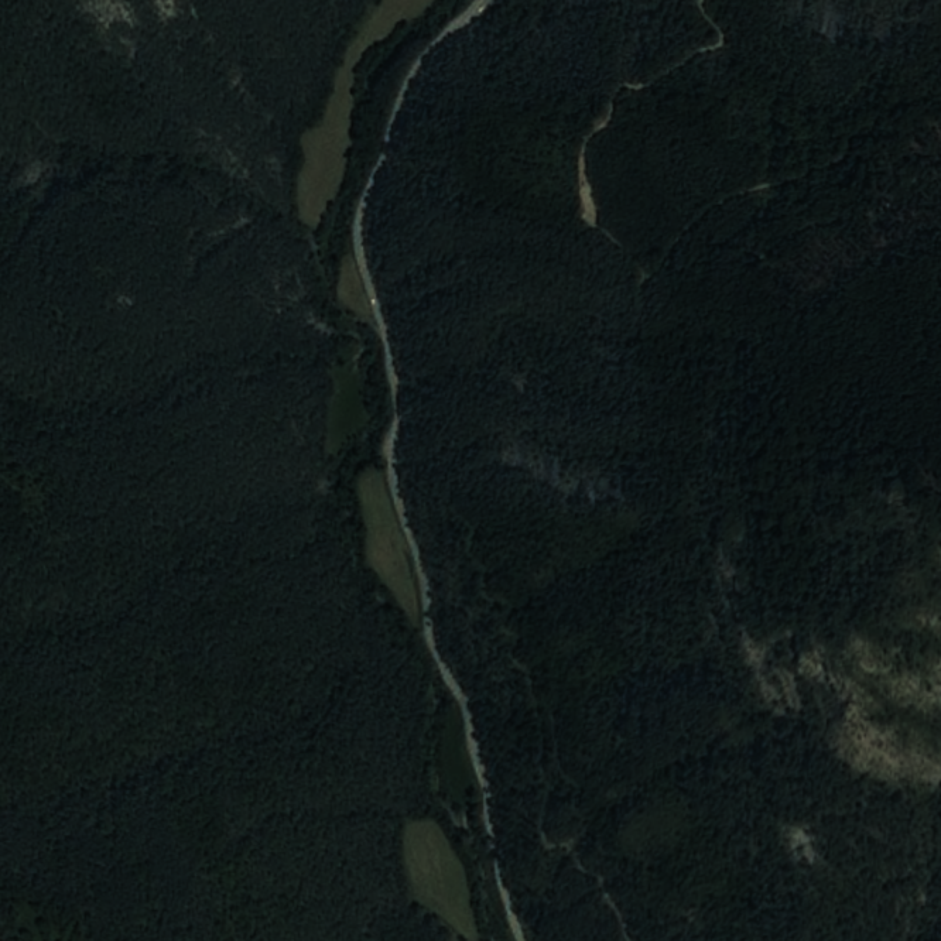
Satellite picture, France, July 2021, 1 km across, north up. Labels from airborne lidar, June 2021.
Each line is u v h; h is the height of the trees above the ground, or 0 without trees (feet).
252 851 35
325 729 37
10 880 44
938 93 51
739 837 51
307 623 50
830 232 59
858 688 0
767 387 67
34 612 35
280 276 20
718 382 58
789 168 62
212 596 42
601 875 59
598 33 44
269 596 41
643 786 27
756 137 41
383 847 56
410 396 40
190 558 41
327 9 28
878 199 77
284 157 26
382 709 48
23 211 46
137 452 52
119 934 27
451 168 51
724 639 36
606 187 27
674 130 35
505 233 54
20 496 42
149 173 46
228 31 34
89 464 50
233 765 35
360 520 27
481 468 29
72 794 39
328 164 0
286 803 26
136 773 26
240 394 31
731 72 40
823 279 82
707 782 64
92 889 22
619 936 56
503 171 25
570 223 35
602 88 48
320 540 54
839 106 21
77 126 35
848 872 28
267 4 22
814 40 26
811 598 21
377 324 0
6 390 40
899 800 67
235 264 34
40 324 45
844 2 35
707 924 36
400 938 58
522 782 77
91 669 46
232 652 42
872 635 18
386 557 0
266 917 35
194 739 50
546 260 40
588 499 25
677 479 40
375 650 62
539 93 51
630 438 45
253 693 48
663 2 40
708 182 31
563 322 57
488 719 81
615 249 34
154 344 25
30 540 33
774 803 63
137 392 44
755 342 48
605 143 31
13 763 28
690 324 42
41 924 39
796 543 52
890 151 72
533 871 52
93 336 34
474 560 29
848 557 38
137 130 33
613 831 18
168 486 30
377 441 49
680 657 28
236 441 26
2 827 44
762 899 41
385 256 30
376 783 33
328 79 52
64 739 28
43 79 32
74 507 36
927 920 24
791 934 46
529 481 28
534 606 39
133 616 42
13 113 31
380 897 18
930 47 68
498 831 27
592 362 37
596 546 20
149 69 35
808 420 71
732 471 33
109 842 45
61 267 49
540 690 28
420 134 47
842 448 49
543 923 89
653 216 29
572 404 44
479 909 43
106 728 21
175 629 50
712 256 47
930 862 35
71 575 35
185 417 34
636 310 36
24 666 52
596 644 25
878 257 95
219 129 20
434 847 0
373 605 49
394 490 0
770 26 29
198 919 34
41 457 49
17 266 38
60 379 35
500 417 36
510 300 30
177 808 51
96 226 48
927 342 77
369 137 52
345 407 0
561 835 45
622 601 52
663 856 18
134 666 39
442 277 41
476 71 48
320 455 36
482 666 34
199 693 43
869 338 82
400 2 0
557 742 27
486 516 34
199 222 43
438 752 26
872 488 23
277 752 37
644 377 43
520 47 60
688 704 64
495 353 63
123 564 24
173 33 22
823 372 93
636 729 47
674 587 58
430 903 0
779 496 64
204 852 23
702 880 20
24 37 24
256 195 37
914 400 86
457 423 36
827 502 19
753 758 24
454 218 34
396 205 46
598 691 27
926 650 30
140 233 39
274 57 26
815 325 73
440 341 41
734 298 59
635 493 36
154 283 29
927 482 74
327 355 56
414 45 59
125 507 48
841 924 50
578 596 37
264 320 36
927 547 22
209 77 32
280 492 36
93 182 49
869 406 71
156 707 43
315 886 31
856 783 52
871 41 45
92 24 24
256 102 28
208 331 36
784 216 64
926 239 113
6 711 41
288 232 38
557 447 24
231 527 32
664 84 29
